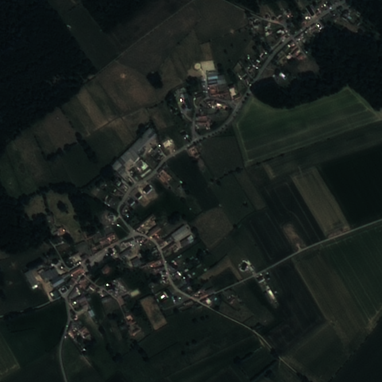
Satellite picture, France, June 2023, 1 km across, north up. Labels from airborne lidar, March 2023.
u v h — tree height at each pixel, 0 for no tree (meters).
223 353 0
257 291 0
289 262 0
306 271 0
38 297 0
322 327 0
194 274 0
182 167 0
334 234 0
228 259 0
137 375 0
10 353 0
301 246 0
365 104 0
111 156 0
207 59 0
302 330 0
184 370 0
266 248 0
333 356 0
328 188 0
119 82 0
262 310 0
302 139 0
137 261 0
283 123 0
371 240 0
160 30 0
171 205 0
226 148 0
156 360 0
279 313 0
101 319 0
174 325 0
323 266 0
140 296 0
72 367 0
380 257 0
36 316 0
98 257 0
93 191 0
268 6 0
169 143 0
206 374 0
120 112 0
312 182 0
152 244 0
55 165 0
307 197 0
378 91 24
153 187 0
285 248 0
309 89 26
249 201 0
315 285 0
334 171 0
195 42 0
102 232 0
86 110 0
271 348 0
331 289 0
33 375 0
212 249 0
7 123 18
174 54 0
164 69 0
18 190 0
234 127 0
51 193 0
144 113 0
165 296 0
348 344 0
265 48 12
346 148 0
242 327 0
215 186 0
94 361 0
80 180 0
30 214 0
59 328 0
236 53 0
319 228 0
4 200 14
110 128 0
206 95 0
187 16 0
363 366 0
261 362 0
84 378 0
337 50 28
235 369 0
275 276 0
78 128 0
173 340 0
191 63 0
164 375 0
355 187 0
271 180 0
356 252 0
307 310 0
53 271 0
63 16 0
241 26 0
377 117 0
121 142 0
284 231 0
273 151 0
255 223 0
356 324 0
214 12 0
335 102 0
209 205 0
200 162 0
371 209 0
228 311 0
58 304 0
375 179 0
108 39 0
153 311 0
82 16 0
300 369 0
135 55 0
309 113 0
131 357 0
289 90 19
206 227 0
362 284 0
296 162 0
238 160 0
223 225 0
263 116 0
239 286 0
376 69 27
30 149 0
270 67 0
